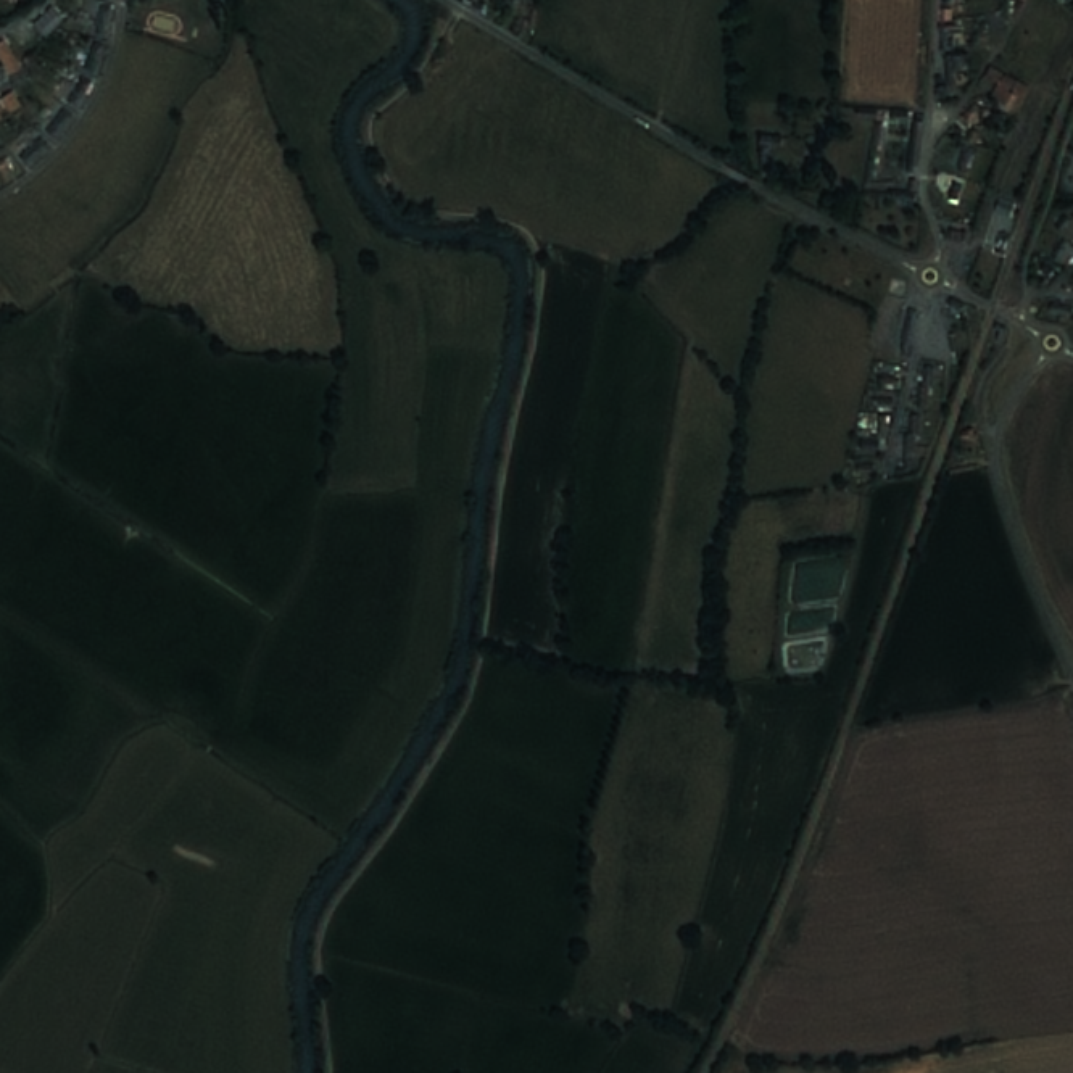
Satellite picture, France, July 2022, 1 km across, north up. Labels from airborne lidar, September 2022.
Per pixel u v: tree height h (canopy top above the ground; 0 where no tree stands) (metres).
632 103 8
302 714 0
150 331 0
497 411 0
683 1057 0
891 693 0
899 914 0
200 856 0
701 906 0
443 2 0
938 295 0
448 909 0
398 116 0
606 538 0
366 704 0
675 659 0
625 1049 0
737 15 19
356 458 0
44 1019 0
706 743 0
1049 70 0
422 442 0
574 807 0
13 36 0
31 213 0
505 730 0
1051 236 0
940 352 0
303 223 0
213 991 0
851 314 0
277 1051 0
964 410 6
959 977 0
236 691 0
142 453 0
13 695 0
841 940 0
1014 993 0
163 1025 0
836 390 0
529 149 0
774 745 0
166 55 0
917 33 0
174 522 0
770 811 0
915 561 8
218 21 29
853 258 0
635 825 0
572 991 0
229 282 0
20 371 0
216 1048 0
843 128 13
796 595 0
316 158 0
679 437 0
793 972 0
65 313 0
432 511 0
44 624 0
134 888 0
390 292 0
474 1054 0
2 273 0
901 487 0
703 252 0
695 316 0
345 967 0
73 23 0
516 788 0
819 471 0
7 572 0
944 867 0
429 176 0
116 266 0
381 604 0
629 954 0
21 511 0
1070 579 0
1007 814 0
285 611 0
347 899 0
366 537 0
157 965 0
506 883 0
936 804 0
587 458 0
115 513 0
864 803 0
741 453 8
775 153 0
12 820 0
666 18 0
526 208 0
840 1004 0
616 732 15
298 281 0
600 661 0
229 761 0
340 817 0
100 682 0
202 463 0
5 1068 0
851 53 0
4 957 0
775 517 0
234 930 0
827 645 0
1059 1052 0
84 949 0
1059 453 0
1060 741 0
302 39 0
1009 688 0
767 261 0
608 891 0
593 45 0
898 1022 0
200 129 0
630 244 0
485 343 0
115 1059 0
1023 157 0
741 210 0
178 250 0
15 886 0
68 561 0
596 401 0
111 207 0
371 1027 0
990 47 0
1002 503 0
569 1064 0
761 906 0
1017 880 0
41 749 0
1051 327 0
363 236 0
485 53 0
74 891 0
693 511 0
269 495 0
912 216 12
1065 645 0
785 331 0
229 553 0
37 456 0
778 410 0
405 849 0
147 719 0
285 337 0
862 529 0
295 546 0
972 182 0
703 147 9
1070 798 0
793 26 0
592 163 0
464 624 0
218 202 0
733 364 0
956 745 0
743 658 0
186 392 0
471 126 0
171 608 0
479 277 0
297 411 0
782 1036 0
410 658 0
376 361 0
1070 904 0
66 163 0
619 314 0
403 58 0
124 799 0
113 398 0
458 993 0
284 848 0
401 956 0
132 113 0
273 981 0
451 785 0
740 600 0
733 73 22
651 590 0
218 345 15
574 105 0
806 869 0
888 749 0
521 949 0
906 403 0
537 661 22
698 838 0
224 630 0
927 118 0
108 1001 0
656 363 0
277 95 0
